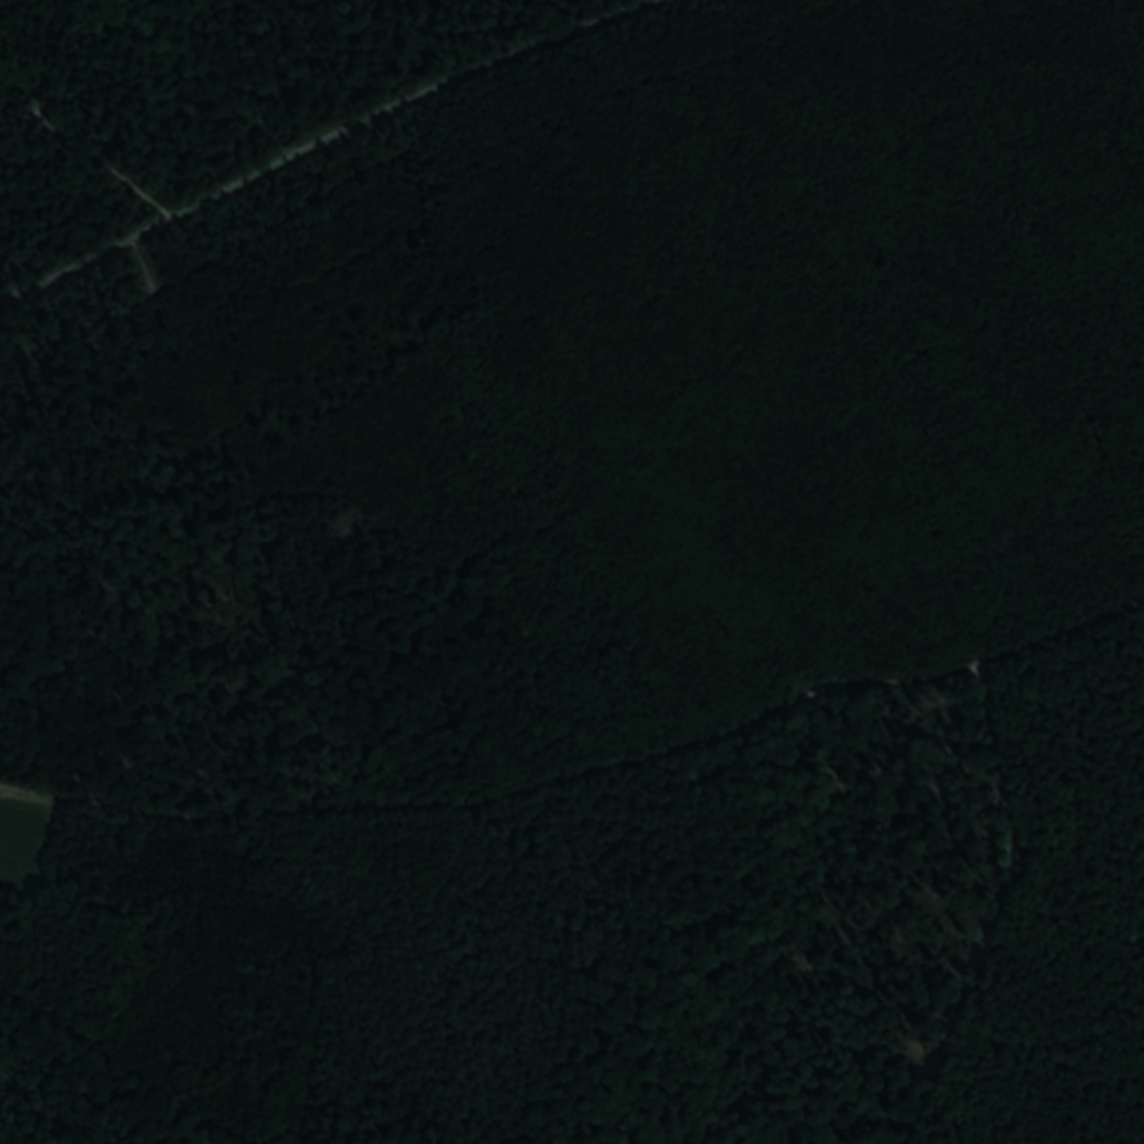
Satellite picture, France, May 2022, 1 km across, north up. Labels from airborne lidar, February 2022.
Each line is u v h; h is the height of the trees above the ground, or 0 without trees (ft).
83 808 60
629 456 55
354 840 81
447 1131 94
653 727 59
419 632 106
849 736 112
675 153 55
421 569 68
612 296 64
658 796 88
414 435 59
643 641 62
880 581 53
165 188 79
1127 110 57
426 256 46
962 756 101
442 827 87
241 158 91
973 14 47
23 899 91
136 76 83
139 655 96
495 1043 84
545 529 82
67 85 82
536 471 73
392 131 75
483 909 85
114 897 57
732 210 53
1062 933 79
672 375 53
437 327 71
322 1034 71
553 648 81
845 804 112
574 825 73
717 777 83
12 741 92
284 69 92
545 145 73
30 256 95
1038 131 67
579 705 82
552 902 76
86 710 101
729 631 54
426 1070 80
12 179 99
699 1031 111
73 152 84
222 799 84
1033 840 79
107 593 111
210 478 94
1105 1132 83
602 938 101
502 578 84
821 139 51
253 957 57
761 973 123
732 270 60
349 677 101
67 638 103
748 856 104
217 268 25
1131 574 54
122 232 62
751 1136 116
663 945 115
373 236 47
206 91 91
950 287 59
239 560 106
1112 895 75
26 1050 113
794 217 65
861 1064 111
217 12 88
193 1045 58
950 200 53
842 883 110
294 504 80
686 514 48
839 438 64
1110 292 53
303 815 73
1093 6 58
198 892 52
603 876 37
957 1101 82
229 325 53
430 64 90
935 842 104
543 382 65
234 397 35
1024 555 54
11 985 98
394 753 92
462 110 64
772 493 60
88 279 51
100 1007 84
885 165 57
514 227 63
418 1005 87
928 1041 89
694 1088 143
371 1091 76
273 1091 86
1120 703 93
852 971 116
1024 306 53
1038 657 80
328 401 76
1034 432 54
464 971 88
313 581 78
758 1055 115
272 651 98
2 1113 102
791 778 114
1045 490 51
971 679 81
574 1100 121
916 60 53
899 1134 74
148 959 77
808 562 60
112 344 104
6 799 0
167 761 90
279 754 102
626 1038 127
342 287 44
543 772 78
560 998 90
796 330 57
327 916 76
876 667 62
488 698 89
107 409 112
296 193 85
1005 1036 85
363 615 101
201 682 111
